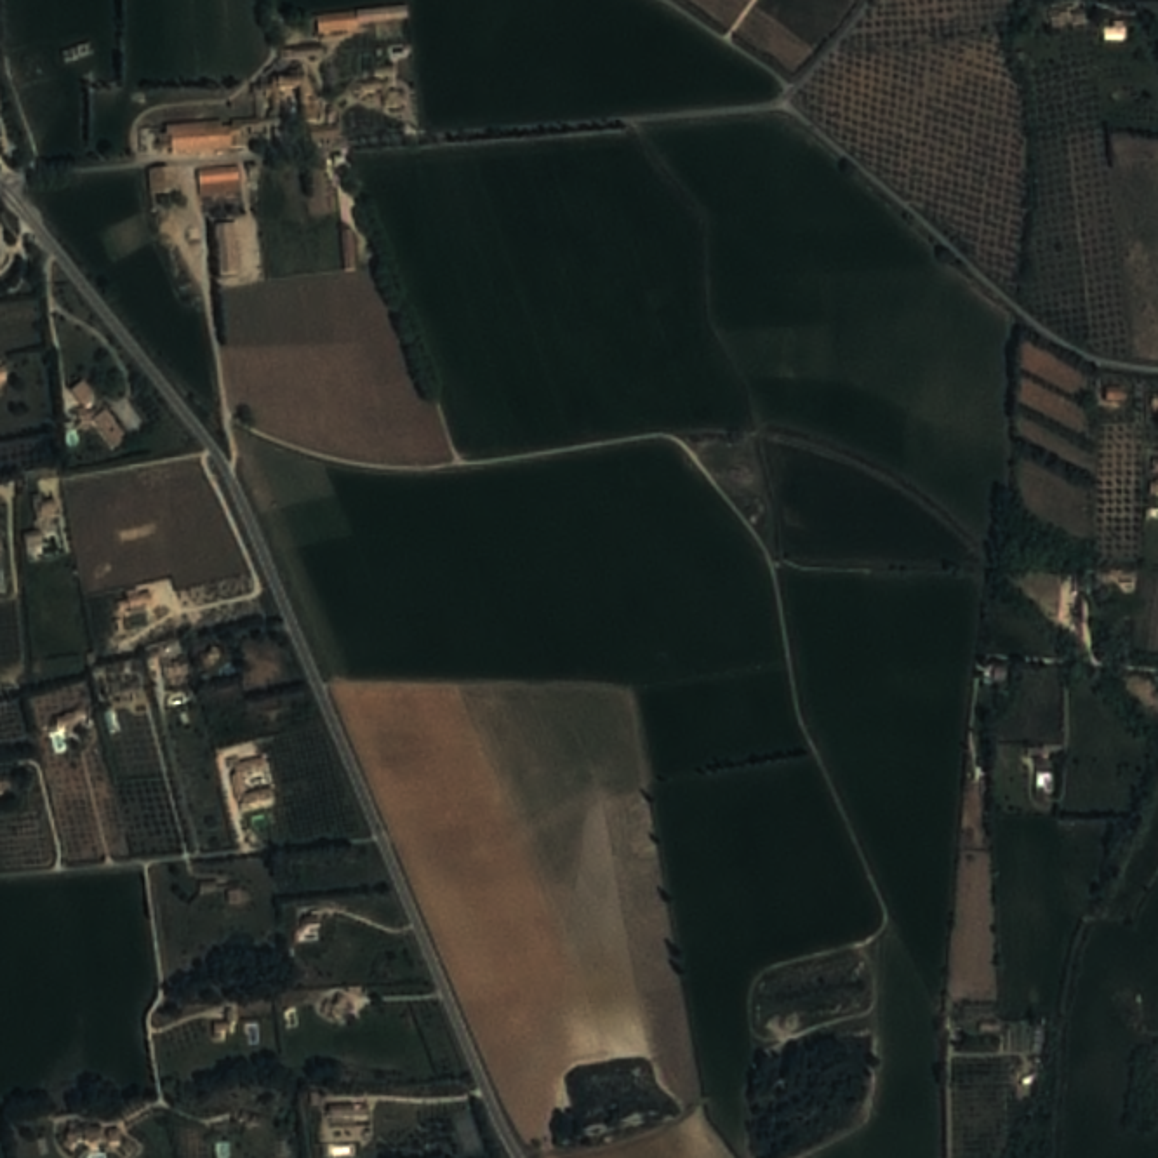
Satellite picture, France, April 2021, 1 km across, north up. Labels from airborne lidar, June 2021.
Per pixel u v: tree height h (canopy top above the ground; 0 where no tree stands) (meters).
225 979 14
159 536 0
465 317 0
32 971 0
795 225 0
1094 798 0
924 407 0
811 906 0
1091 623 8
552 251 0
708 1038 0
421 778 0
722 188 0
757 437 0
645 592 0
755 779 0
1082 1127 0
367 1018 8
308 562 0
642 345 0
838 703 0
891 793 0
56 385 13
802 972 0
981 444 0
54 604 0
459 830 0
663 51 0
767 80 0
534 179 0
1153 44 8
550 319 0
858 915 0
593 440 0
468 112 0
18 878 0
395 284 19
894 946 0
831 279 0
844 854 0
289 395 0
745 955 0
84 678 9
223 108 0
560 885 0
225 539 0
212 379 0
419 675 0
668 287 0
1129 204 0
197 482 0
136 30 0
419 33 0
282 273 0
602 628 0
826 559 0
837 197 0
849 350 0
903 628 0
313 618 0
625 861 0
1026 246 8
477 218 0
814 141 0
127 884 0
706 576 0
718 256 0
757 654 0
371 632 0
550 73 0
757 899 0
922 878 0
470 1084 10
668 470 0
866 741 0
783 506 0
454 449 0
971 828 0
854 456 0
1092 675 14
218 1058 0
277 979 13
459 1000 0
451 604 0
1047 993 0
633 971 0
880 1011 0
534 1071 0
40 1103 11
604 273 0
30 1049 0
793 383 0
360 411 0
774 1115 9
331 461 0
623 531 0
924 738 0
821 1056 10
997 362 0
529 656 0
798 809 0
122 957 0
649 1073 0
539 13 0
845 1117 0
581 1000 0
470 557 0
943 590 0
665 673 0
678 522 0
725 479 0
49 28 0
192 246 0
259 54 0
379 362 0
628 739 0
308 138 20
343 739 0
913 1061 0
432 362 17
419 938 0
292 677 0
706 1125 0
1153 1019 0
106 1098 18
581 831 0
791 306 0
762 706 0
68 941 0
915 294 0
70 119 0
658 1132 0
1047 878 0
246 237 0
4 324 0
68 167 14
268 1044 0
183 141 0
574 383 0
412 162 0
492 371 0
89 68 0
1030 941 0
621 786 0
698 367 0
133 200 0
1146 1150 0
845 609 0
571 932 0
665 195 0
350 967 0
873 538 0
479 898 0
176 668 0
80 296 0
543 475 0
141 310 0
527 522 0
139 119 0
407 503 0
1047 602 0
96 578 0
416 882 0
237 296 0
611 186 0
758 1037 0
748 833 0
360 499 0
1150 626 0
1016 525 9
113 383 13
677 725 0
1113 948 0
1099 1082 0
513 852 0
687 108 0
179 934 0
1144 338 0
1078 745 0
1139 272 0
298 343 0
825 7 0
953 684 0
